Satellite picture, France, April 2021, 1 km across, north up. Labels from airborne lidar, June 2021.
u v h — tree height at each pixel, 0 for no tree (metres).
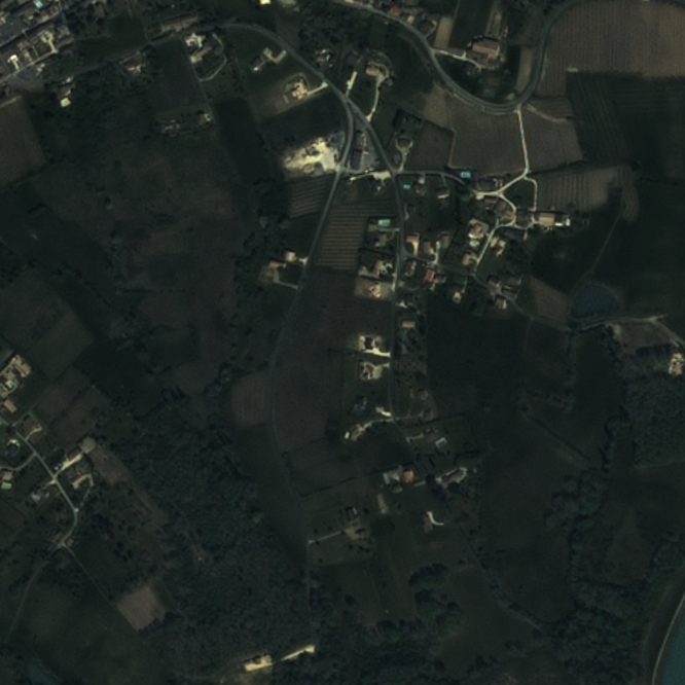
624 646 16
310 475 0
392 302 0
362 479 0
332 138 0
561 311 0
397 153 0
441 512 0
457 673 0
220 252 0
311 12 6
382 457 0
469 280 7
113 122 16
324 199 0
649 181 9
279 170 0
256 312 0
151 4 6
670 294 0
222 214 0
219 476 22
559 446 0
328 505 0
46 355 0
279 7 0
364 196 0
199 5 10
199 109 0
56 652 0
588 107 0
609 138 0
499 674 0
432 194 0
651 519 0
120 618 0
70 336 0
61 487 0
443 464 0
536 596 0
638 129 0
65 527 7
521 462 0
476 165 0
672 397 22
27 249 0
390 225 0
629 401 18
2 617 0
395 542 0
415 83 0
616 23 0
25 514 0
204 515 7
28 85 0
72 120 11
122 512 8
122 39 0
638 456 13
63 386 0
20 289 0
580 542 20
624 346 6
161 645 20
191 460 7
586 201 0
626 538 0
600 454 0
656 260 0
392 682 22
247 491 16
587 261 0
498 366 0
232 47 12
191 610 11
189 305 0
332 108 0
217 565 11
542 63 0
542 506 0
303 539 0
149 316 0
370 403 0
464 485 8
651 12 0
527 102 0
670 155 0
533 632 0
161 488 9
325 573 0
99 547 0
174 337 0
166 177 0
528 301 0
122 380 0
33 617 0
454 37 0
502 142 0
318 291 0
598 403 0
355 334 0
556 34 0
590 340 0
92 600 0
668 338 0
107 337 0
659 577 20
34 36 0
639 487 0
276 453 0
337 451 0
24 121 0
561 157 0
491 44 0
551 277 0
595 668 18
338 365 0
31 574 0
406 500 0
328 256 0
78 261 0
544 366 0
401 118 13
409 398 0
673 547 13
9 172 0
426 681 25
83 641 0
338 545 0
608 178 0
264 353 0
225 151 0
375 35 0
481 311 10
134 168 0
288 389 0
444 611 17
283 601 21
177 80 0
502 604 19
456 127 0
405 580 0
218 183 0
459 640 0
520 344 0
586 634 24
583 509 18
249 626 14
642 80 0
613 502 0
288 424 0
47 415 0
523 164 0
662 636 0
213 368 0
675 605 0
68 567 0
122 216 0
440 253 0
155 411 6
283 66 0
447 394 0
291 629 21
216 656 21
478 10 0
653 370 18
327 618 18
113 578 0
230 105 0
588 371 0
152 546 0
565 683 0
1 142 0
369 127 0
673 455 21
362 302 0
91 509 7
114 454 11
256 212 0
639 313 0
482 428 0
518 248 11
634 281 0
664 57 0
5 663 9
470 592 0
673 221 0
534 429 0
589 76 0
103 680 0
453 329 0
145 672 0
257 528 7
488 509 0
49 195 0
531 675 0
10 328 0
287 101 0
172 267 0
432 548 0
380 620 0
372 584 0
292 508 0
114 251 12
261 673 0
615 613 15
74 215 0
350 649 0
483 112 0
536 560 0
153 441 11
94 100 15
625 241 0
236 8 0
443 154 0
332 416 0
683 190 0
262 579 14
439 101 0
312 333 0
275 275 0
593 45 0
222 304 0
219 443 6
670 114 0
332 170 0
